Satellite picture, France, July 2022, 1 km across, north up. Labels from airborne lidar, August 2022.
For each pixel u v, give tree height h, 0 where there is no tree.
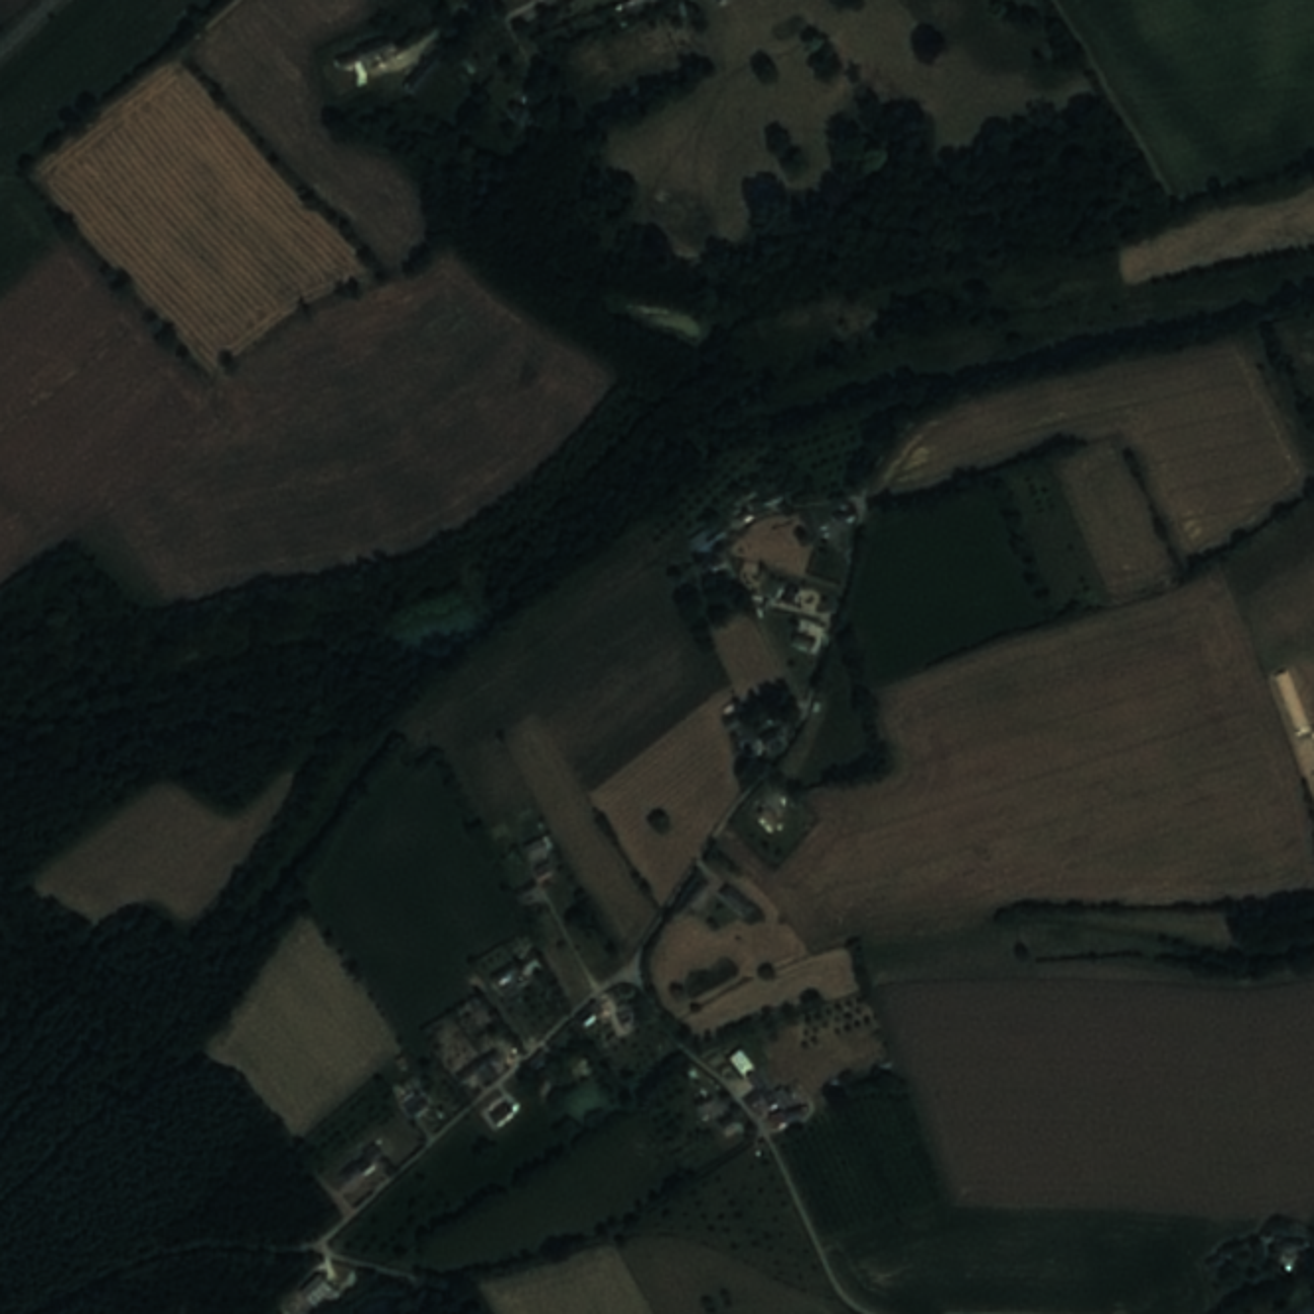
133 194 0
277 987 0
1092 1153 0
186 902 0
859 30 0
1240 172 0
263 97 0
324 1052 0
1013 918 7
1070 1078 0
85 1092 22
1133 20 0
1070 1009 0
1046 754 0
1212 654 0
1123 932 0
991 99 0
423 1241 13
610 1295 0
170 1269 7
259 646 22
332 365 0
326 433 0
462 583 21
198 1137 21
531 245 17
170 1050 16
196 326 0
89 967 15
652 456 20
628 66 0
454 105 0
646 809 0
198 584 0
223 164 0
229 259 0
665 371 15
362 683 23
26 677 22
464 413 0
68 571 20
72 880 0
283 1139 11
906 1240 0
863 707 17
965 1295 0
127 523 0
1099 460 0
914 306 6
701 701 0
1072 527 0
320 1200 12
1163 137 0
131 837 0
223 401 0
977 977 0
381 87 0
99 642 16
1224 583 0
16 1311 10
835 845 0
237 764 17
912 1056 0
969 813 0
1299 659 0
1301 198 0
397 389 0
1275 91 0
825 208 20
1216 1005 0
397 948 0
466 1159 0
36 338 0
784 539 0
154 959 20
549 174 13
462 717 0
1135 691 0
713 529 9
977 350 0
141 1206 22
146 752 24
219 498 0
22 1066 22
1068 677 0
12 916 22
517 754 0
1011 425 0
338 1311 16
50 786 19
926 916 0
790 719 11
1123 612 0
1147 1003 0
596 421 10
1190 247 0
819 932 0
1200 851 0
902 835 0
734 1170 0
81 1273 20
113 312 0
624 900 0
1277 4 0
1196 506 0
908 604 0
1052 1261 0
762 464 6
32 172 8
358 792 10
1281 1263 8
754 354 0
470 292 0
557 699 0
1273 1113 0
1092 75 8
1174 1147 0
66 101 0
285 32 0
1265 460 0
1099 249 14
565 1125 7
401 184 0
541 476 10
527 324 0
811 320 0
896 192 22
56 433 0
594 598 0
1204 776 0
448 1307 20
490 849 7
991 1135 0
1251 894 0
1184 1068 0
